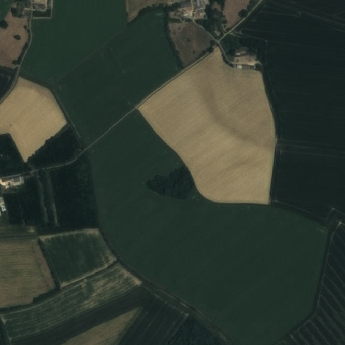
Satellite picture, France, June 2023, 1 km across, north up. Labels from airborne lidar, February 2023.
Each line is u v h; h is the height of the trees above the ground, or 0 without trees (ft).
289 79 0
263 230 0
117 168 0
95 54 0
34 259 0
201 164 0
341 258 0
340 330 0
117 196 0
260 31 0
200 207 0
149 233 0
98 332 0
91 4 0
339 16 0
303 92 0
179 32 0
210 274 0
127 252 0
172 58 0
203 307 0
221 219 0
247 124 0
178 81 0
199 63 0
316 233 0
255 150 0
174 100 0
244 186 0
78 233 0
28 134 0
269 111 0
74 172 17
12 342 0
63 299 0
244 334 0
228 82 0
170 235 0
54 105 0
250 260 0
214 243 0
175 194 62
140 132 0
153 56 0
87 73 0
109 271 0
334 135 0
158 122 0
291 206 0
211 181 0
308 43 0
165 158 0
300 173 0
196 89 0
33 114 0
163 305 0
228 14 0
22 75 0
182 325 0
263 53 0
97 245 0
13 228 0
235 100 0
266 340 0
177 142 0
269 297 0
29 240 0
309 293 0
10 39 0
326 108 0
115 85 0
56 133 0
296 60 0
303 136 0
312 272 0
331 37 0
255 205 0
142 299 0
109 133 0
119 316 0
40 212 25
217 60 0
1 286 0
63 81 0
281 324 0
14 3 0
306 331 0
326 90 0
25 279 0
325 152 0
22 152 0
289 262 0
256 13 0
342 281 0
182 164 0
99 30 0
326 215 0
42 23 0
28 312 0
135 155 0
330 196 0
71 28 0
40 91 0
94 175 0
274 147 0
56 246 0
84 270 0
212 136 0
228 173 0
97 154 0
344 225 0
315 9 0
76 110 0
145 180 0
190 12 0
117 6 0
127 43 0
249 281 0
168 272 0
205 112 0
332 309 0
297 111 0
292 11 0
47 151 21
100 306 0
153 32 0
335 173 0
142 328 0
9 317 0
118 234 0
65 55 0
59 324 0
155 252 0
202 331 64
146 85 0
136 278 0
